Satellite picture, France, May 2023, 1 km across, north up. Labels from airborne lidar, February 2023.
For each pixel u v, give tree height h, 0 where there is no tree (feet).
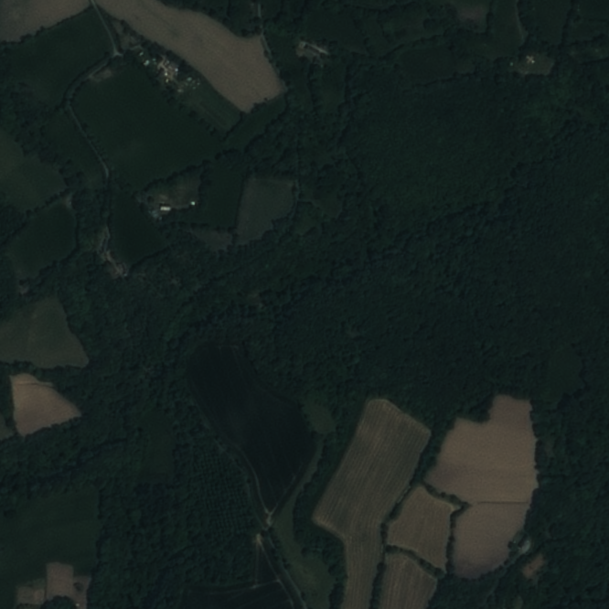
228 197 0
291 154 52
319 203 0
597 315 65
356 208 62
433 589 0
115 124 0
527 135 56
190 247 50
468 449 0
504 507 0
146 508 110
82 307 88
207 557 51
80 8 0
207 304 58
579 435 64
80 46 0
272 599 0
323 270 27
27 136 60
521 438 0
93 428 70
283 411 0
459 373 66
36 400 0
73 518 0
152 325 41
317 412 0
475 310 53
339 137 28
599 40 40
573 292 66
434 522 0
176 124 0
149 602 74
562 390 0
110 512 60
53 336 0
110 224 32
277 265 66
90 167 0
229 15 40
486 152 52
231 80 0
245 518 62
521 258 68
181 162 0
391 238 40
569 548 71
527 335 79
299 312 58
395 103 49
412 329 56
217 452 39
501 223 78
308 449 0
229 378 0
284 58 0
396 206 57
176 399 65
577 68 62
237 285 60
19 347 0
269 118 0
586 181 58
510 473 0
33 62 0
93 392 43
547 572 42
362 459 0
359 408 0
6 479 26
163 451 0
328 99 0
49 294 57
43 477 21
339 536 0
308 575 0
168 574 62
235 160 67
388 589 0
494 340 68
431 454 42
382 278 68
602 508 68
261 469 0
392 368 57
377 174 60
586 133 65
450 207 63
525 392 54
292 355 69
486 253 71
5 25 0
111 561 63
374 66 38
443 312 67
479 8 0
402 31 0
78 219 46
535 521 40
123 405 30
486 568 0
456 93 52
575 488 73
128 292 32
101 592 72
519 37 0
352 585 0
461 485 0
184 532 26
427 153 55
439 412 62
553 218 64
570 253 64
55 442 78
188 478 26
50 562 0
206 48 0
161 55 63
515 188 68
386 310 53
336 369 30
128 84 0
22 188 0
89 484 55
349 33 0
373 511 0
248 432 0
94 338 73
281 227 57
